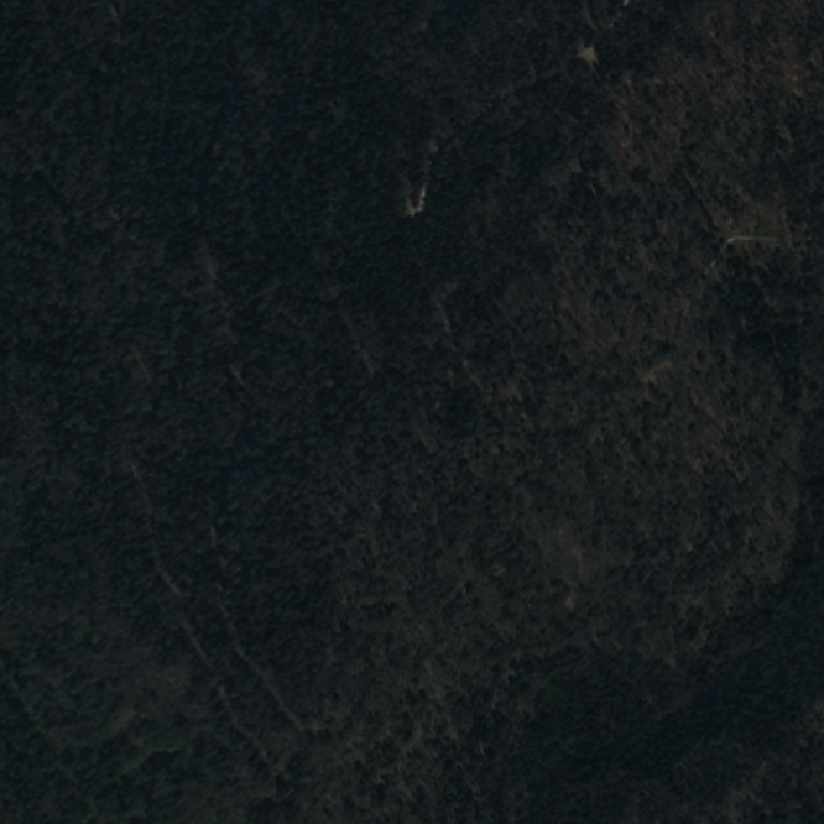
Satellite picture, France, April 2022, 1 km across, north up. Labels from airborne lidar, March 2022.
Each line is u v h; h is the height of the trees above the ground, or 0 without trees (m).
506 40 22
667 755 27
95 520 37
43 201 35
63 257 34
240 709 11
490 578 29
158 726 25
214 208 30
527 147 18
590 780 22
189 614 30
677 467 24
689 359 29
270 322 34
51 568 34
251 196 29
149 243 30
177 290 27
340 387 22
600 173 27
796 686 29
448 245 25
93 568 33
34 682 25
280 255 31
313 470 25
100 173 29
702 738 29
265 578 32
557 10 21
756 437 9
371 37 31
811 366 30
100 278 33
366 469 28
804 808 45
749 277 16
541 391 26
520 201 17
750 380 32
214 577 26
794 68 21
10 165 31
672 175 31
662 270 35
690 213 29
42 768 29
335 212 20
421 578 34
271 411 22
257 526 32
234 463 9
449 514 30
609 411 29
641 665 22
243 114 33
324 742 22
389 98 28
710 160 30
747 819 32
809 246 9
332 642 26
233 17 25
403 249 24
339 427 11
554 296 24
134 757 21
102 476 31
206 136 34
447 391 24
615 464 29
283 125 34
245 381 11
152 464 30
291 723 23
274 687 18
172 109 34
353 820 28
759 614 33
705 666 19
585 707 19
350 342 24
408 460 26
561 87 21
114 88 34
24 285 35
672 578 30
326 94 30
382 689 26
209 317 28
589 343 26
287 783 23
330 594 29
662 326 27
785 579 9
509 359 23
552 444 28
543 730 22
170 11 22
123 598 29
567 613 31
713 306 36
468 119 20
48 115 34
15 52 24
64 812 29
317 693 25
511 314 19
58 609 30
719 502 34
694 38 25
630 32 14
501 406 27
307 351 28
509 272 16
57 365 37
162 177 31
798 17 22
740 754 27
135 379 32
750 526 30
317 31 30
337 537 27
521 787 29
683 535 25
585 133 10
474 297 14
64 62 33
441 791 34
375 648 27
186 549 30
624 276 25
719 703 37
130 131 30
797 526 7
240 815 23
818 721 21
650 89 14
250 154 34
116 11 7
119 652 26
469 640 30
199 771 36
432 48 25
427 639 33
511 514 32
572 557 32
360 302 21
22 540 32
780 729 27
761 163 29
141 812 21
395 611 28
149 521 31
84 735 26
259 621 27
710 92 25
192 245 13
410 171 19
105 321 35
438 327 24
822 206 34
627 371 29
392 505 20
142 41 23
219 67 33
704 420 32
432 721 27
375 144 19
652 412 29
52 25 31
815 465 33
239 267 26
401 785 23
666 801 26
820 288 13
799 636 30
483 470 27
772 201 27
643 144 25
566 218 17
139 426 30
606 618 29
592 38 25
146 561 28
